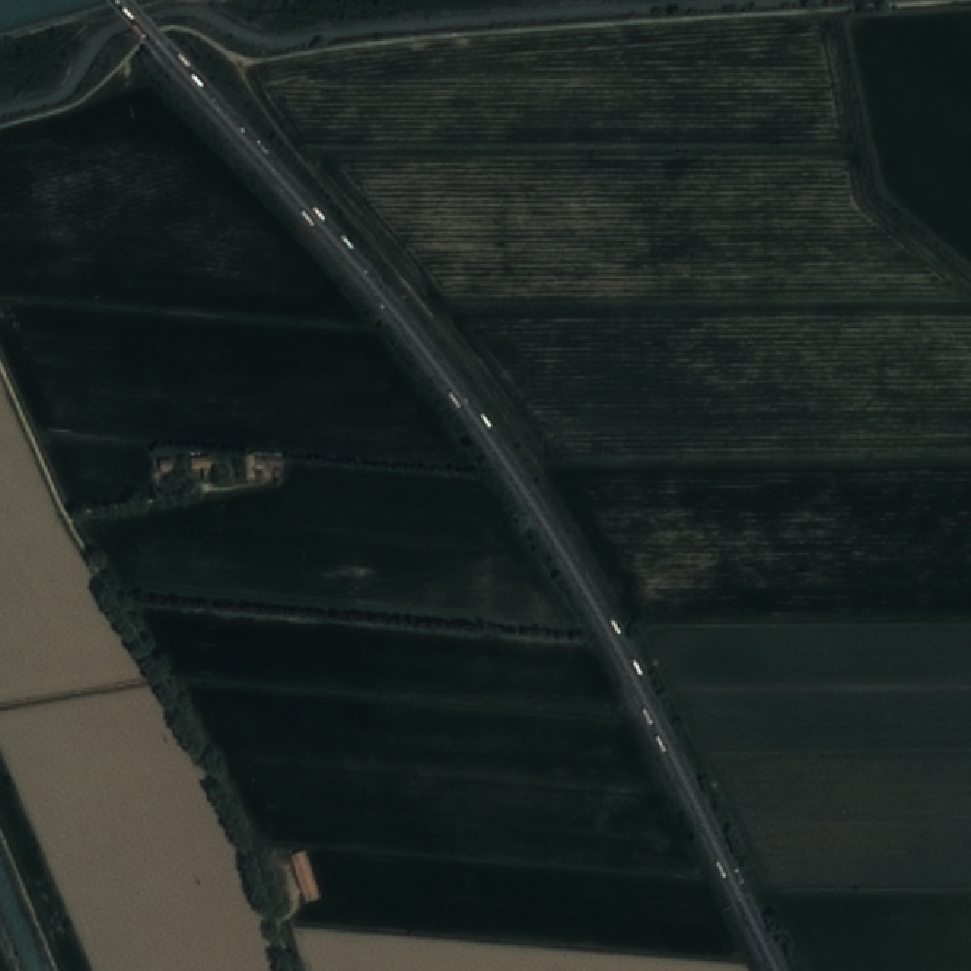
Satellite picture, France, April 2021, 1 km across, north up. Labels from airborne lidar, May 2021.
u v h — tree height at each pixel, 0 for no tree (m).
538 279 0
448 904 0
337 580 0
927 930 0
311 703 0
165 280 0
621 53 0
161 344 0
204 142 0
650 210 0
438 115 0
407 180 0
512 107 0
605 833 0
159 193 0
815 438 0
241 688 0
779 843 0
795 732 0
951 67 0
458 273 0
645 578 0
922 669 0
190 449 9
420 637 0
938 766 0
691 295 0
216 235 0
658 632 0
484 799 0
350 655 0
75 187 0
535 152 0
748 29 0
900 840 0
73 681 0
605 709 0
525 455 0
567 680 0
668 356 0
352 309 0
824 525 0
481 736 0
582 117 0
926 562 0
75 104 0
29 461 0
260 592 0
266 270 0
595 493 0
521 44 0
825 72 0
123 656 0
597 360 0
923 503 0
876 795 0
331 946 0
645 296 0
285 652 0
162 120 0
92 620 0
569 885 0
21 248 0
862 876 0
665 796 0
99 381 0
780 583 0
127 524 0
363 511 0
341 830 0
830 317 0
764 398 0
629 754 0
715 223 0
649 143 0
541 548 10
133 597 9
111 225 0
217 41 0
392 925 0
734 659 0
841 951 0
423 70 0
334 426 0
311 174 6
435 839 0
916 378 0
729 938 0
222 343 0
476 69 0
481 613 0
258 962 0
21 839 0
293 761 0
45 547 0
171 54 0
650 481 0
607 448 0
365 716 0
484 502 0
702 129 0
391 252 0
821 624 0
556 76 0
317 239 0
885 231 0
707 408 0
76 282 0
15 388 0
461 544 0
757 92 0
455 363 0
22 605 0
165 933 0
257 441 0
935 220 0
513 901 0
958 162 0
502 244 0
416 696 0
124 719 0
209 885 0
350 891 0
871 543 0
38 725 0
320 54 0
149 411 0
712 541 0
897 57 0
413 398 0
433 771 0
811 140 0
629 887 0
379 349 0
